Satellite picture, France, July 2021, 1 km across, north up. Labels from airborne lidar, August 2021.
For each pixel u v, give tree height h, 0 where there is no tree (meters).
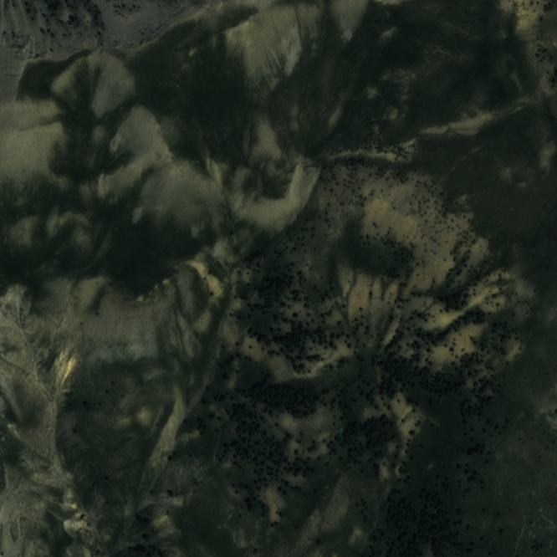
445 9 0
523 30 0
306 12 0
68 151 0
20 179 0
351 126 0
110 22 0
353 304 0
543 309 0
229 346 0
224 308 0
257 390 17
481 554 0
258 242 0
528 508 0
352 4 0
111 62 0
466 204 0
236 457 10
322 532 0
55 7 11
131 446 0
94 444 0
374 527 0
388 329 0
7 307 0
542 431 0
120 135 0
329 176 0
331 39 0
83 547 0
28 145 0
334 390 0
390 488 0
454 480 0
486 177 0
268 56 0
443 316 0
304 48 0
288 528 0
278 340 14
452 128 0
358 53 0
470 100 0
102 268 0
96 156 0
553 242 0
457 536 7
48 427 0
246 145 0
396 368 10
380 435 12
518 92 0
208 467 0
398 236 0
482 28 0
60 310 0
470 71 0
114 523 0
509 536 0
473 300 0
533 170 0
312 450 6
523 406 0
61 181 0
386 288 0
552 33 0
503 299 0
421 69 0
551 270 0
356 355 8
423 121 0
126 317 0
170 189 0
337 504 0
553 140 0
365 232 0
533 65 0
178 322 0
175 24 0
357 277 0
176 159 0
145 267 0
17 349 0
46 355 0
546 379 0
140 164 0
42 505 0
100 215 0
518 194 0
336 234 0
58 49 0
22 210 0
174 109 0
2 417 0
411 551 13
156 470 0
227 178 0
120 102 0
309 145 0
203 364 0
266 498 0
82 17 0
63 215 0
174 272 0
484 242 0
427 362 8
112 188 0
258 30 0
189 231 0
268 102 0
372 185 0
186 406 0
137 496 0
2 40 0
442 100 0
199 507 0
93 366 0
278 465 15
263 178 0
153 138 0
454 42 0
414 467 0
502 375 0
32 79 0
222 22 0
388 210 0
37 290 0
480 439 0
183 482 0
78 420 0
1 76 0
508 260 0
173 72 0
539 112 0
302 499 0
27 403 0
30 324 0
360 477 0
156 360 0
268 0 0
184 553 0
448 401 0
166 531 0
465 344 0
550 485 0
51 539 0
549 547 0
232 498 0
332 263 0
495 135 0
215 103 0
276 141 0
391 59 0
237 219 0
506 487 0
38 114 0
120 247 0
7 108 0
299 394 17
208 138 0
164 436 0
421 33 0
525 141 0
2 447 0
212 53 0
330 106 0
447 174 0
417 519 13
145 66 0
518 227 0
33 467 0
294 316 9
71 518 0
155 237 0
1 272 0
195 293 0
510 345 0
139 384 0
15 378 0
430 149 0
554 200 0
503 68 0
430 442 0
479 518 0
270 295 8
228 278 0
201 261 0
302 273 7
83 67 0
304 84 0
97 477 0
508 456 0
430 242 0
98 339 0
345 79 0
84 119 0
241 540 0
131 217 0
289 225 0
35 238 0
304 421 0
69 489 0
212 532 0
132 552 6
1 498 0
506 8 0
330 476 0
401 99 0
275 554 0
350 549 0
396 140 0
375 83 0
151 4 0
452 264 0
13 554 0
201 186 0
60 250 0
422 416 0
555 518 0
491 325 0
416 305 0
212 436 0
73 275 0
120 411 0
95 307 0
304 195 0
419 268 0
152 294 0
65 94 0
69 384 0
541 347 0
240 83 0
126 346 0
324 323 9
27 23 0
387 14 0
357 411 0
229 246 0
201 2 0
